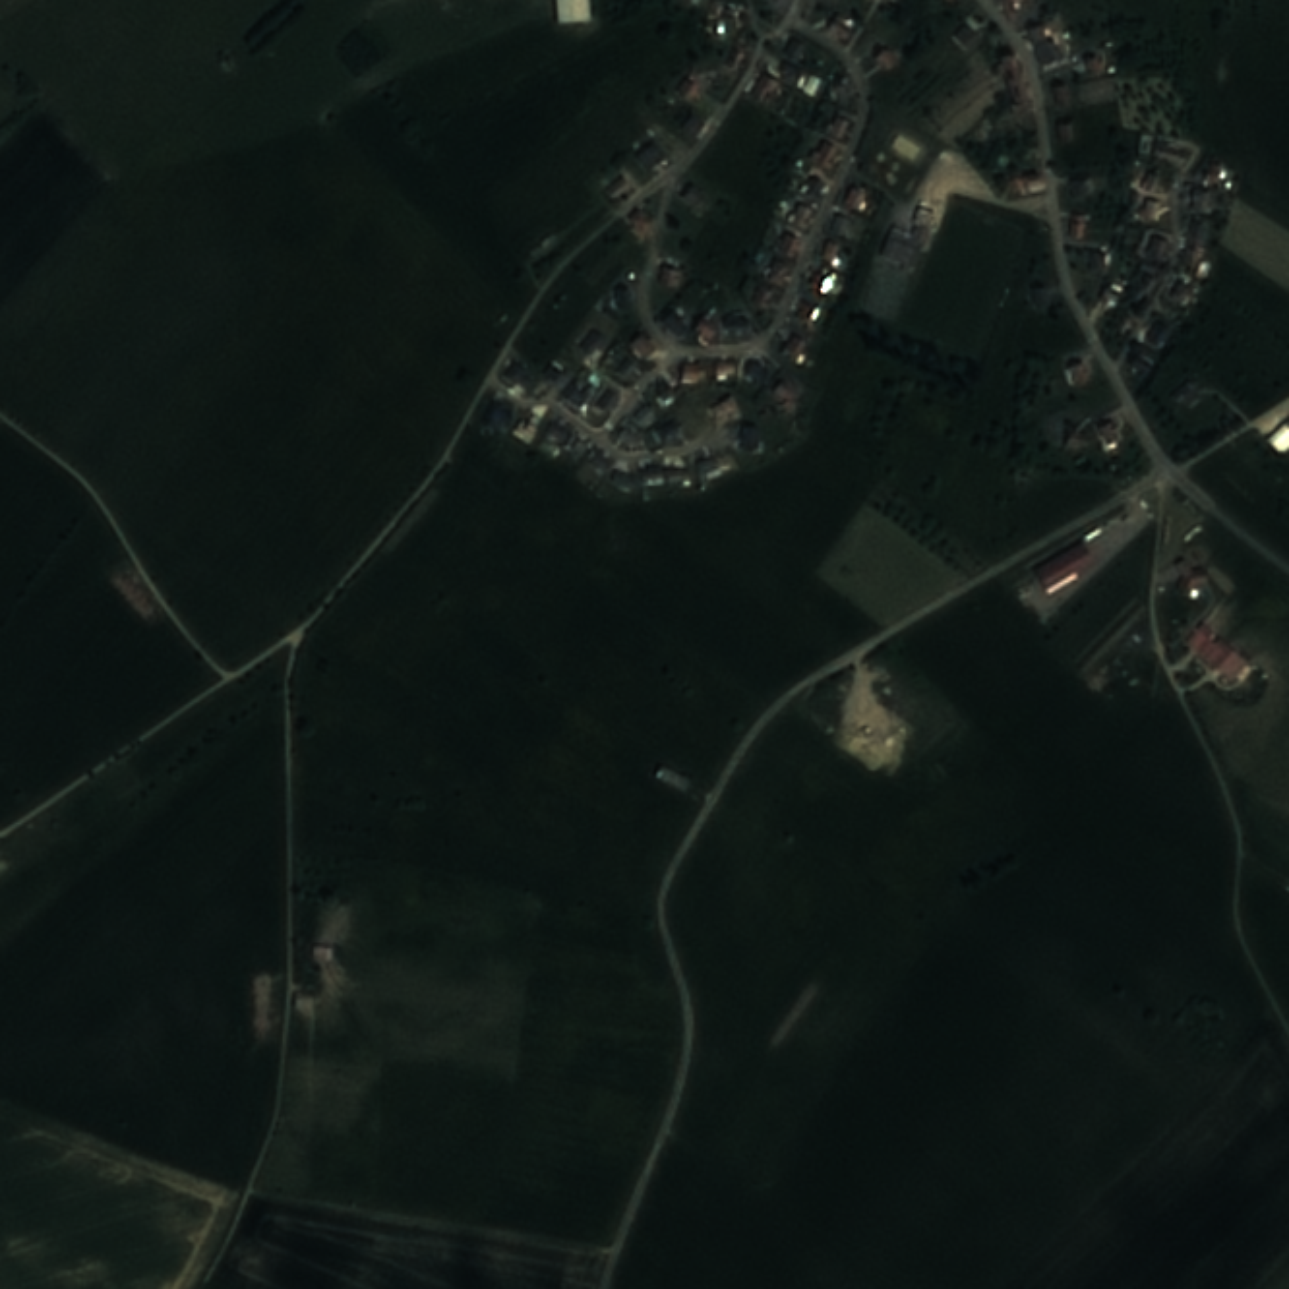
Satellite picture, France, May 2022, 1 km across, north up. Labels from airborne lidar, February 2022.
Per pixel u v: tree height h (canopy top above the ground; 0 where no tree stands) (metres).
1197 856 0
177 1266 0
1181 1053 0
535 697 0
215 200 0
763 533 0
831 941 0
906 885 0
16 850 0
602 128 0
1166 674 0
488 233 0
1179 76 7
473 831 0
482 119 0
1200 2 0
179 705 0
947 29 0
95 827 0
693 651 0
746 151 0
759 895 0
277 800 0
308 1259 0
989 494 0
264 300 0
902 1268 0
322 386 0
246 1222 0
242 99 0
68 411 0
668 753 0
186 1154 0
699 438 0
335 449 0
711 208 0
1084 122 0
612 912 0
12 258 0
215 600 0
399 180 0
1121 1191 0
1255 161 0
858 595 0
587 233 0
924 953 0
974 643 0
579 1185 0
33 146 0
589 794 0
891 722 0
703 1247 0
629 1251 0
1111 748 0
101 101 0
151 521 0
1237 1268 0
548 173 0
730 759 0
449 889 0
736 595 0
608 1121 0
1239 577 0
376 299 0
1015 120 0
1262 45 0
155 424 0
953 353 0
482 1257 0
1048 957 0
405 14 0
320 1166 0
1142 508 0
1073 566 0
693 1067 0
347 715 0
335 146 0
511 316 0
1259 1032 0
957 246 0
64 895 0
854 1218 0
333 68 0
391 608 0
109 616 0
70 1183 0
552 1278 0
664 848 0
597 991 0
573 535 0
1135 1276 0
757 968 0
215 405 0
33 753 0
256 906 0
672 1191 0
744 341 0
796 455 0
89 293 0
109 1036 0
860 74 0
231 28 0
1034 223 0
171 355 0
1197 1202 0
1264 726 0
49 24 0
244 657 0
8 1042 0
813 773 0
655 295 0
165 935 0
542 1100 0
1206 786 0
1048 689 0
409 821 0
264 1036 0
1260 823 0
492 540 0
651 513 0
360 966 0
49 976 0
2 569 0
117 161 0
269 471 0
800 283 0
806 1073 0
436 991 0
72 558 0
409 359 0
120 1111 0
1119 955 0
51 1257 0
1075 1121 0
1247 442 0
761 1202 0
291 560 0
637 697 0
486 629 0
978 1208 0
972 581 0
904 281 0
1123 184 13
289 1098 0
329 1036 0
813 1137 0
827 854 0
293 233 0
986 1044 0
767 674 0
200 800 0
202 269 0
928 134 0
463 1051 0
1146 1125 0
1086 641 0
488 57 0
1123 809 0
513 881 0
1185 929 0
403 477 0
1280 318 0
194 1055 0
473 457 0
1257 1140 0
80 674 0
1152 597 0
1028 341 0
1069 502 0
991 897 0
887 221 0
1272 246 0
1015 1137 0
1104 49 0
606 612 0
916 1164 0
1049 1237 0
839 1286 0
